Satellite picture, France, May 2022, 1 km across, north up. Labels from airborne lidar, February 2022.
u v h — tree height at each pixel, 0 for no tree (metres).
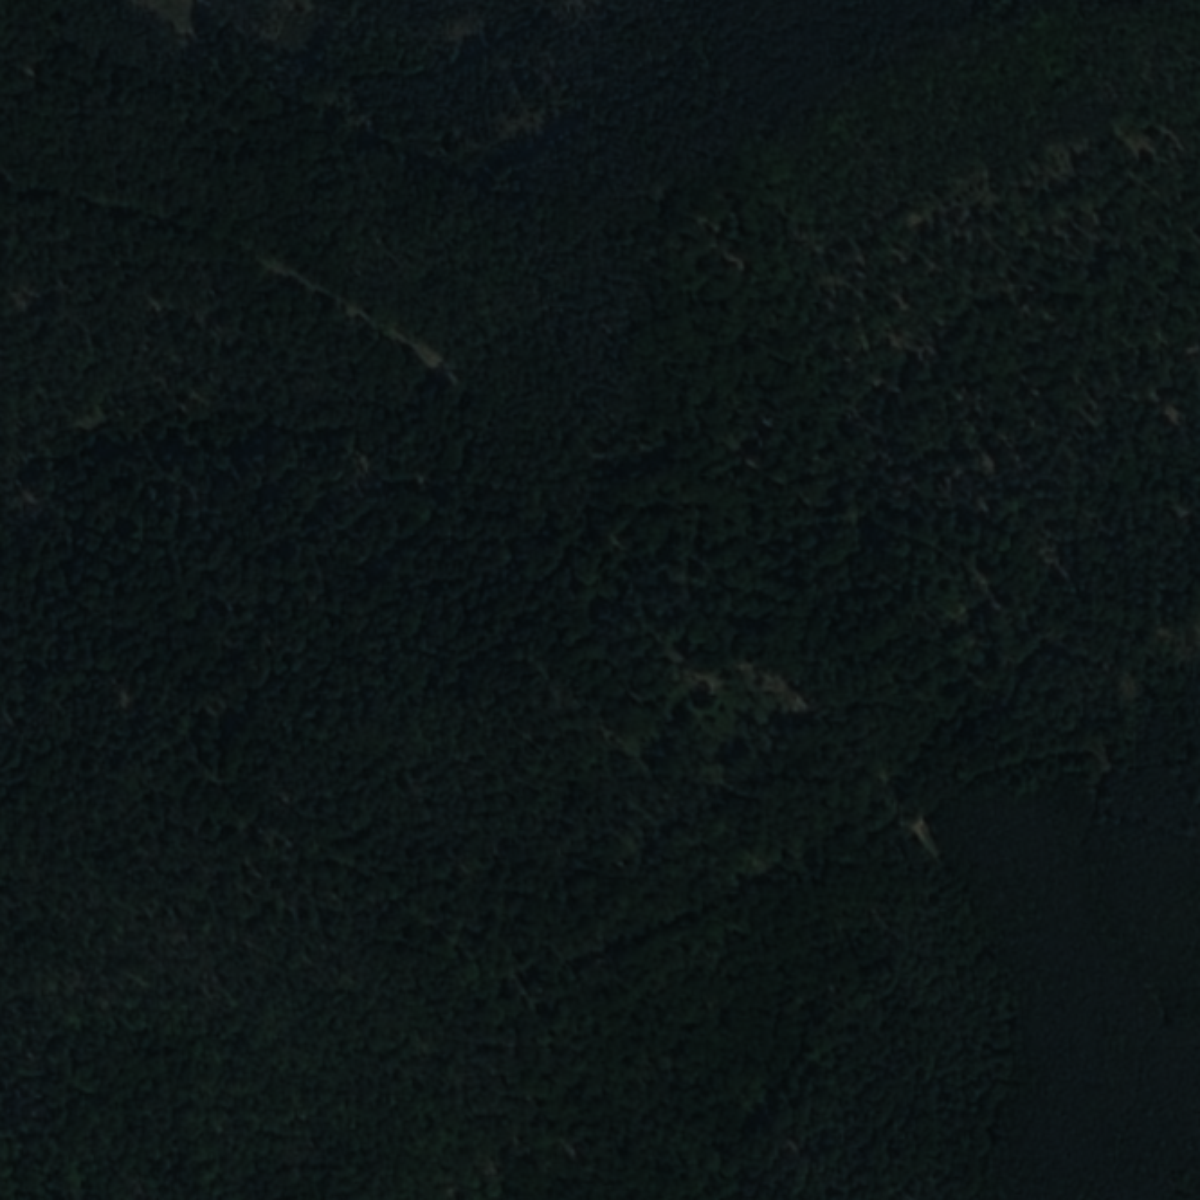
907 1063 32
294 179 26
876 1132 30
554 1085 27
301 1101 25
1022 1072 20
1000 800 19
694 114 27
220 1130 29
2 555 30
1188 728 11
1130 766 7
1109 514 27
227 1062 26
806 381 26
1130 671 33
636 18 21
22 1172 30
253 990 27
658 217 18
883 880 25
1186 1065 16
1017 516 33
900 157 22
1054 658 33
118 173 26
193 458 36
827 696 27
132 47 15
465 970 26
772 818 28
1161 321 28
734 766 28
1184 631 32
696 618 30
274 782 28
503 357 26
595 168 28
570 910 28
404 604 30
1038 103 21
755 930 27
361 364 25
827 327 25
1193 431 24
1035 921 20
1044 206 30
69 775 29
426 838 26
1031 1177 19
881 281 24
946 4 18
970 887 19
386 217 24
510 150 6
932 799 19
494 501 28
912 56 19
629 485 27
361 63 19
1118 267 31
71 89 16
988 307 28
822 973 33
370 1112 28
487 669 27
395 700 25
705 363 35
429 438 29
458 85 29
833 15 18
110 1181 29
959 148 22
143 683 23
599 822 31
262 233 25
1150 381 34
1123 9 21
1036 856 17
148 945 27
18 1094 35
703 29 19
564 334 23
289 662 29
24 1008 30
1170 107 20
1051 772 19
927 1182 29
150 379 24
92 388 29
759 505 26
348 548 29
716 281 34
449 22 23
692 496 29
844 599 30
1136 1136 17
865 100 21
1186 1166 18
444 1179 25
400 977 25
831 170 25
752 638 29
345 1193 31
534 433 24
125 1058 38
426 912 26
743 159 24
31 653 35
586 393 24
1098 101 21
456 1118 25
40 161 28
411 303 25
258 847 26
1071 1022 18
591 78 27
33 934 32
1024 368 34
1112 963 17
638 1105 29
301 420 33
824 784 29
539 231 20
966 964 23
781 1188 29
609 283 22
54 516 37
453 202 28
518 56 26
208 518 33
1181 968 14
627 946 30
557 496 28
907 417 36
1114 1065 18
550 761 29
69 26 16
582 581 29
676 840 28
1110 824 17
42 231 26
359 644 31
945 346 29
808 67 16
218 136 29
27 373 32
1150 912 16
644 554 30
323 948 26
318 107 17
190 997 29
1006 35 19
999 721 27
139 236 29
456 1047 27
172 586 28
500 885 26
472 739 19
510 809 30
